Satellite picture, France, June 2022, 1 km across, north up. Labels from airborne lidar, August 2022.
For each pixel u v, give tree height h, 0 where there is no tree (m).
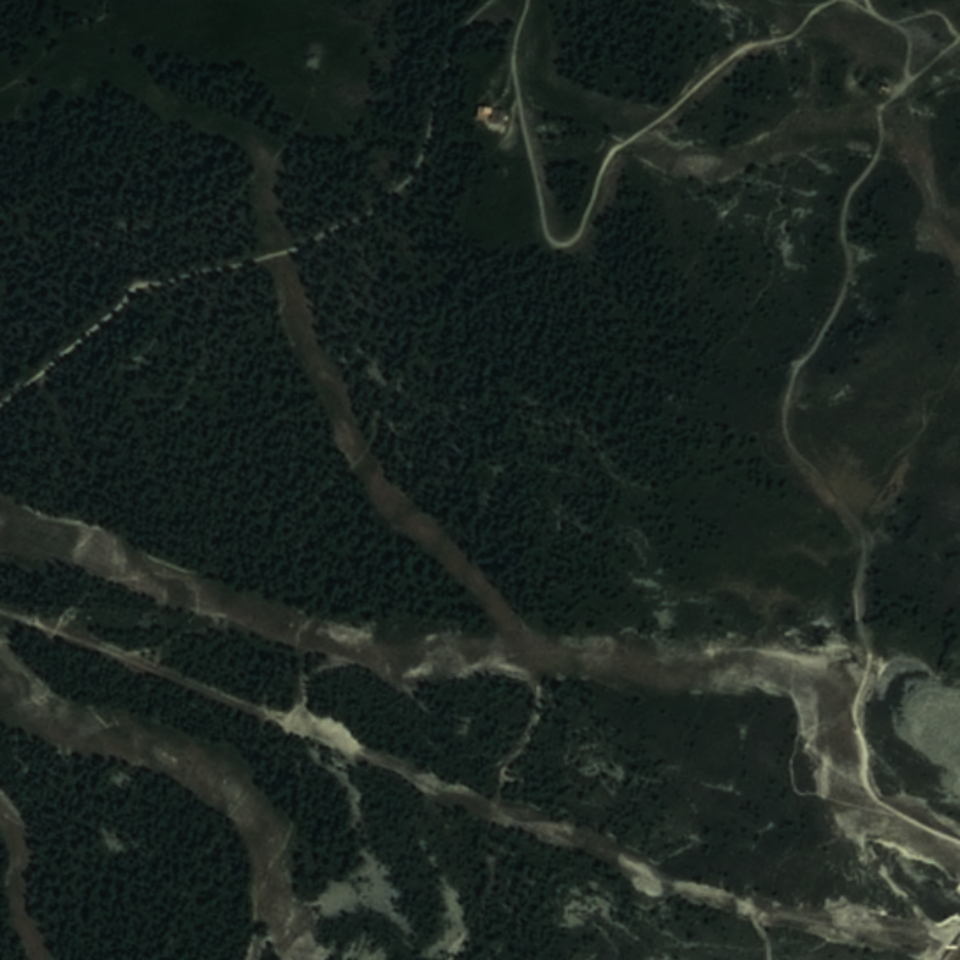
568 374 16
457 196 17
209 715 6
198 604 0
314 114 0
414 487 14
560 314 10
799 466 0
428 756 10
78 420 12
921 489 0
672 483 13
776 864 0
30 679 0
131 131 23
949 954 0
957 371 0
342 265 21
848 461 0
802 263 0
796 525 0
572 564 15
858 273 0
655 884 0
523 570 20
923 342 0
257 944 0
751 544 0
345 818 16
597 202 0
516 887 14
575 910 0
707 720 0
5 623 0
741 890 0
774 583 0
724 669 0
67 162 25
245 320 16
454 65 15
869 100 0
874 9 0
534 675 0
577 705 0
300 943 0
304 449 10
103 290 18
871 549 0
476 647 0
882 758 0
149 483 19
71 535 0
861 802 0
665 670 0
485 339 22
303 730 0
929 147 0
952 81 0
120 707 8
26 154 19
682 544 7
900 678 0
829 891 0
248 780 0
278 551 19
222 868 17
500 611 0
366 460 0
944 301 0
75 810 21
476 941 8
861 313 0
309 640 0
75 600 10
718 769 0
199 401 17
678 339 10
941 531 0
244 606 0
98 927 22
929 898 0
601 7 13
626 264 13
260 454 13
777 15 0
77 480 17
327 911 0
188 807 13
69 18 14
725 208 0
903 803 0
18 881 0
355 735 7
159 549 13
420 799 7
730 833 6
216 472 17
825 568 0
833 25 0
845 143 0
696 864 0
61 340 22
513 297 16
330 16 0
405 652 0
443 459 16
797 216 0
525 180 0
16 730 7
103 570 0
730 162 0
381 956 0
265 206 0
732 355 0
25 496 16
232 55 0
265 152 0
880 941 0
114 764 16
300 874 12
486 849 13
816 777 0
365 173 15
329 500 22
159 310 13
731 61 0
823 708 0
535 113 0
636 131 0
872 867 0
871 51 0
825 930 0
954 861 0
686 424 11
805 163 0
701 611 0
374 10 0
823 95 0
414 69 21
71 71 0
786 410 0
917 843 0
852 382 0
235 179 17
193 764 0
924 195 0
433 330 19
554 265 14
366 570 23
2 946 20
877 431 0
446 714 14
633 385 10
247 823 0
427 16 20
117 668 11
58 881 18
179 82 25
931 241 0
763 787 0
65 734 0
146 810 11
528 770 8
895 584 0
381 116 13
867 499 0
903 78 0
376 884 0
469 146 12
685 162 0
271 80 0
